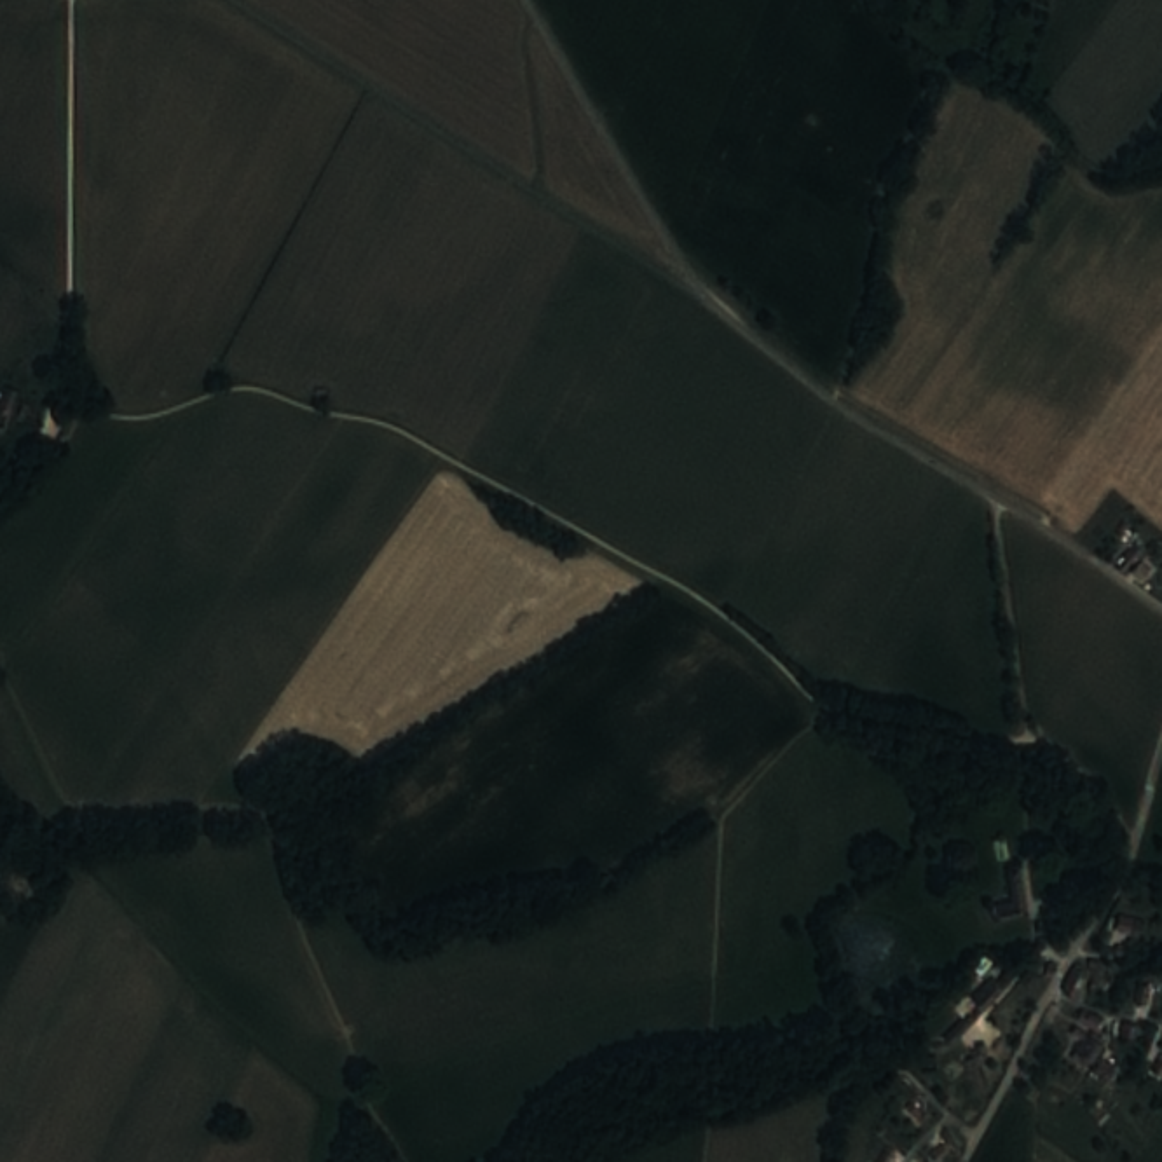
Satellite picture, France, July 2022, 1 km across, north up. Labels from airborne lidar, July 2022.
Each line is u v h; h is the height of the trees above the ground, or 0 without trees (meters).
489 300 0
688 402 0
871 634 0
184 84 0
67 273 0
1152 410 0
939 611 0
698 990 0
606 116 0
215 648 0
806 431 0
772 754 0
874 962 0
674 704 0
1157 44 0
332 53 0
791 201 0
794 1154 0
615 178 0
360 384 0
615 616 13
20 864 22
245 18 0
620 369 0
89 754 0
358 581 0
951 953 0
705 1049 26
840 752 0
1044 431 0
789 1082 20
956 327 0
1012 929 0
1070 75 0
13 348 0
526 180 0
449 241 0
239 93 0
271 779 26
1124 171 17
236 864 0
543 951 0
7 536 0
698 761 0
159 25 0
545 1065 0
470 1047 0
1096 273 0
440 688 0
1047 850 31
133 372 0
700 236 0
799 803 0
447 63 0
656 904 0
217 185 0
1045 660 0
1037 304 0
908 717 25
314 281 0
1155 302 0
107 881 0
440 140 0
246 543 0
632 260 0
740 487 0
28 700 0
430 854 0
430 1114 0
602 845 0
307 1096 0
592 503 0
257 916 0
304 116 0
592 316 0
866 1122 0
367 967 0
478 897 21
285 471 0
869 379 0
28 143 0
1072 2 0
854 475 0
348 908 19
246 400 0
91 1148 0
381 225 0
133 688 0
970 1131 0
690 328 0
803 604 0
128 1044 0
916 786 23
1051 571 0
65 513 0
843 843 0
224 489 0
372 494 0
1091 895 27
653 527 0
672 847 17
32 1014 0
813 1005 0
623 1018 0
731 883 0
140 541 0
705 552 0
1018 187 0
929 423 0
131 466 0
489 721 0
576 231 0
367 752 0
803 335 0
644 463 0
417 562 0
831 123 0
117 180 0
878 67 0
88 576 0
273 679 0
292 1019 0
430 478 0
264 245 0
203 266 0
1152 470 0
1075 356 0
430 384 0
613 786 0
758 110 0
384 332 0
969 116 0
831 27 0
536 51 0
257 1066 0
